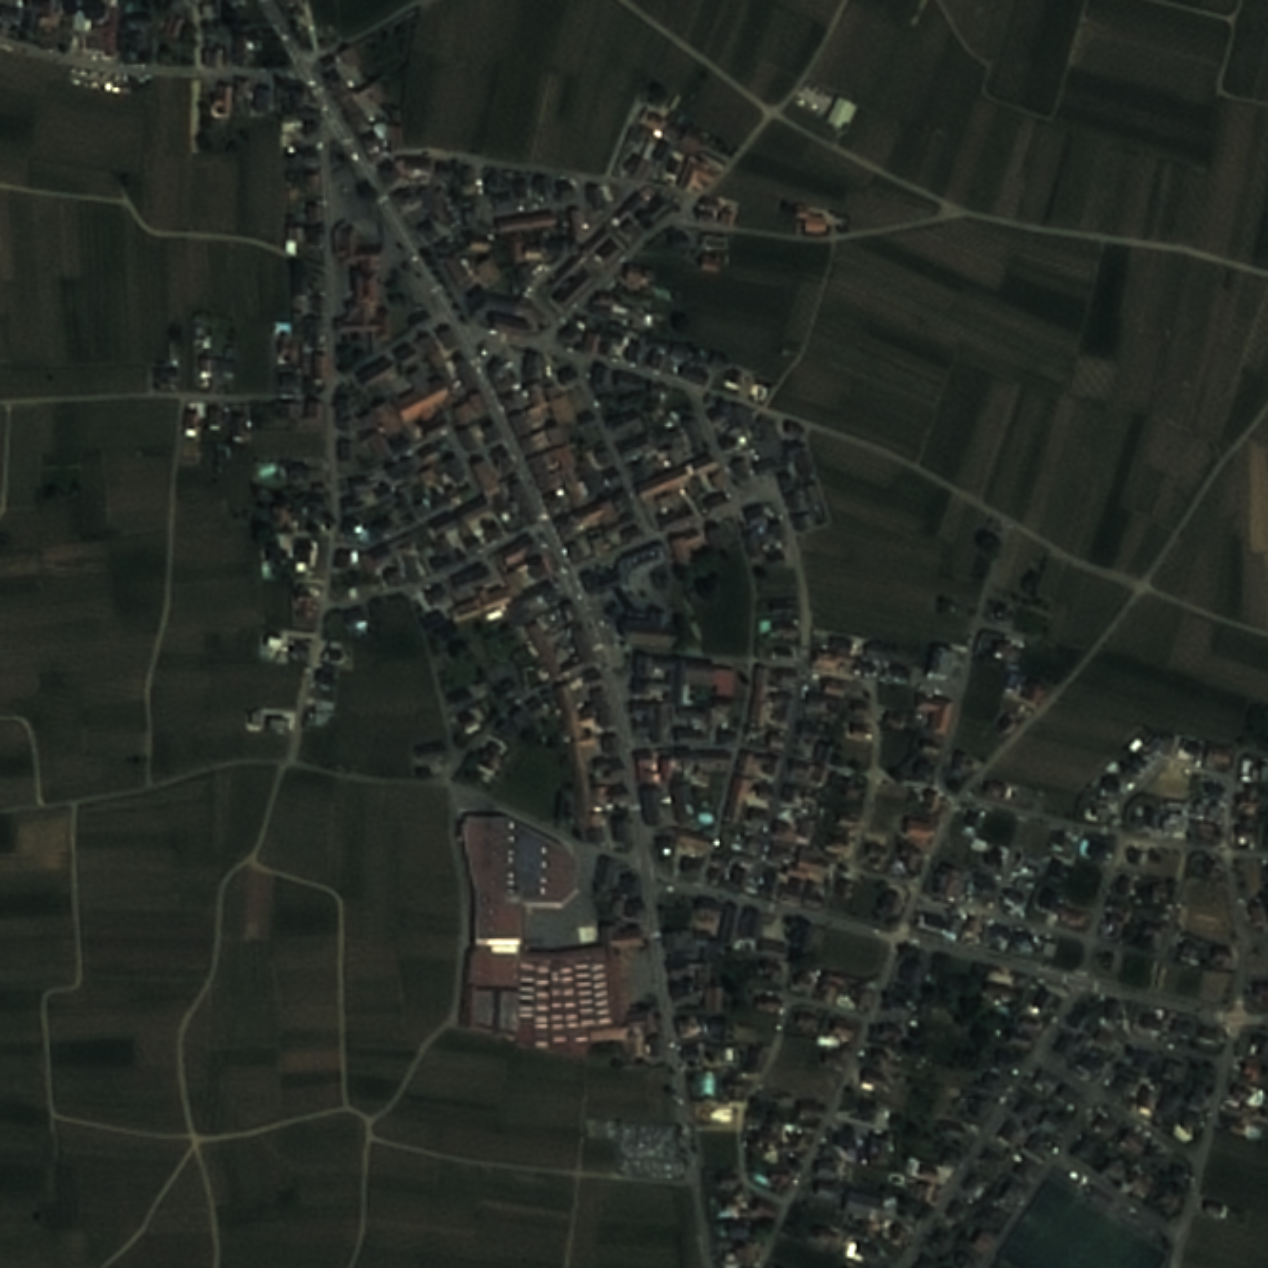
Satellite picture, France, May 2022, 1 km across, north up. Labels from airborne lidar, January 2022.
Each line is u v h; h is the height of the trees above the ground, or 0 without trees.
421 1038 0
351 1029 0
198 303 0
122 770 0
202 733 0
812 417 0
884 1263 0
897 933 0
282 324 0
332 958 0
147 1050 0
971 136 0
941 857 0
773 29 0
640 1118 0
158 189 0
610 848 0
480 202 0
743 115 0
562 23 0
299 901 0
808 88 0
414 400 0
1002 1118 0
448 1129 0
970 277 0
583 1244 0
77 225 0
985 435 0
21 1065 0
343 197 0
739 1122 0
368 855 0
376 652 0
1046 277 0
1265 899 7
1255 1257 0
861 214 0
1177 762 0
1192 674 0
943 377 0
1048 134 0
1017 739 0
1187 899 0
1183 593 0
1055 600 0
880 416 0
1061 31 0
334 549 0
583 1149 0
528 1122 0
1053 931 0
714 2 0
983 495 0
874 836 0
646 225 6
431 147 0
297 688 0
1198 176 0
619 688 0
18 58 0
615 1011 0
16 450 0
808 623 0
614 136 0
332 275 0
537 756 0
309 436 0
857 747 0
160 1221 0
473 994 0
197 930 0
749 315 0
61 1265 0
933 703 0
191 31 11
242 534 0
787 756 0
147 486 0
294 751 0
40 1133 0
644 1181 0
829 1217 0
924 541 0
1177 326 0
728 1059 0
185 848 0
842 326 0
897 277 0
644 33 0
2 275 0
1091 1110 0
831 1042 0
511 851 0
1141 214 0
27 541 0
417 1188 0
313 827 0
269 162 0
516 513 0
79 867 0
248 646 0
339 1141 0
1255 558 0
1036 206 0
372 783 0
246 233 0
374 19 0
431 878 0
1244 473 0
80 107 0
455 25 0
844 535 0
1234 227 0
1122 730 0
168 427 0
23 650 0
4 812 0
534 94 0
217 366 0
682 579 16
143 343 0
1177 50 0
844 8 0
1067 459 0
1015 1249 0
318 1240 0
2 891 0
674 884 0
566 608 0
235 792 0
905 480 0
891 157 0
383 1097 0
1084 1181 0
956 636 0
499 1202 0
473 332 0
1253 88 0
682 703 0
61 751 0
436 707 0
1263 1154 0
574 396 0
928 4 0
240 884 0
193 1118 0
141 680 0
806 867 0
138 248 0
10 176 0
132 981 0
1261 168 0
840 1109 0
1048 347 0
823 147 0
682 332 12
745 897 0
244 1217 0
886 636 0
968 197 0
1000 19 0
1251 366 0
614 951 0
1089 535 0
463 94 0
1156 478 0
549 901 0
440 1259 0
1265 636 0
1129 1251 0
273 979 0
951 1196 0
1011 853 0
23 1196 0
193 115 0
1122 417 0
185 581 0
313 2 0
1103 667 0
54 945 0
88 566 0
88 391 0
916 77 0
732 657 0
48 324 0
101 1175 0
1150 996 0
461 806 0
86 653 0
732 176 0
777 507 0
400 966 0
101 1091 0
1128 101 0
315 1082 0
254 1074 0
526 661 0
